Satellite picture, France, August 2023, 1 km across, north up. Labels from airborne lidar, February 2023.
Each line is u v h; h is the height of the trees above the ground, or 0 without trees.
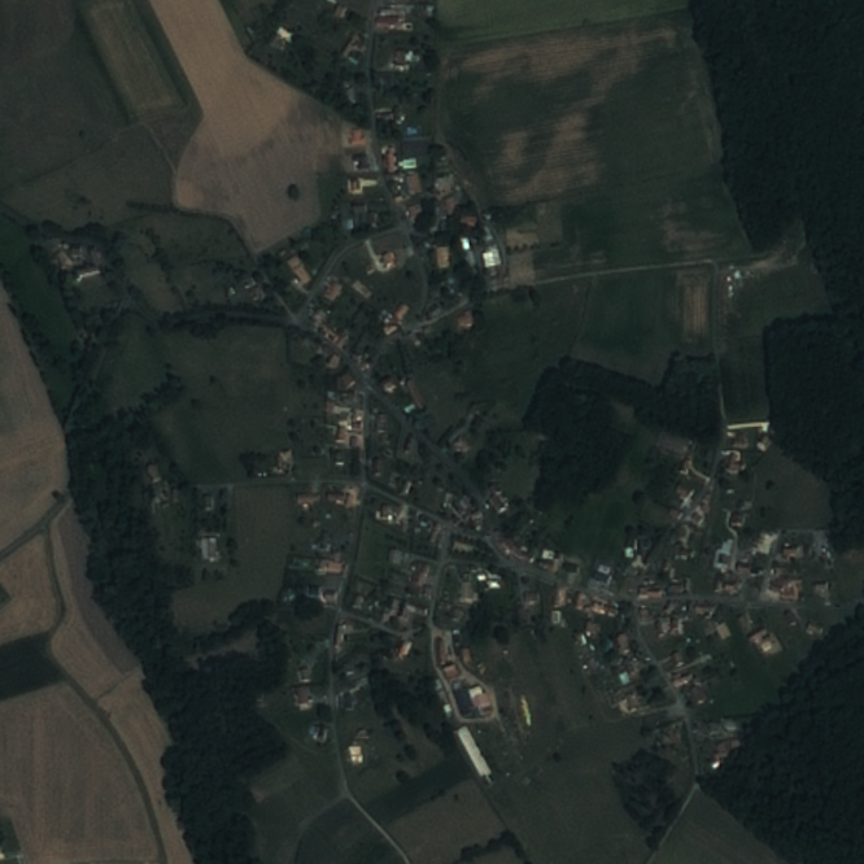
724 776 8
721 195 0
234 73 0
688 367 19
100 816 0
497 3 0
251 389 0
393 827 0
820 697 23
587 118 0
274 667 15
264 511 0
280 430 0
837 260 24
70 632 0
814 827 11
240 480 0
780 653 0
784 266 0
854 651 24
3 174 0
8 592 0
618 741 0
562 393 22
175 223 0
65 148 0
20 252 0
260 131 0
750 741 8
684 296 0
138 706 0
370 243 0
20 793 0
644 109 0
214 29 0
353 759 0
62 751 0
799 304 0
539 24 0
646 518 0
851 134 24
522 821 0
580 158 0
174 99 0
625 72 0
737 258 0
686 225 0
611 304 0
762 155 27
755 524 0
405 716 12
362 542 0
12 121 0
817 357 24
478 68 0
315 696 0
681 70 0
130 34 0
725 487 12
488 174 0
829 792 28
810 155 26
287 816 0
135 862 0
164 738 0
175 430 0
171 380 11
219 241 0
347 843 0
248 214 0
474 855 11
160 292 0
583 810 0
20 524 0
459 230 8
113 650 0
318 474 0
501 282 0
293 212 0
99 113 0
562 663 0
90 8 0
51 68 0
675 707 0
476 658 0
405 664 0
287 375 0
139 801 0
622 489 0
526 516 8
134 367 0
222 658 0
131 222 0
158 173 0
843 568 0
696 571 0
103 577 23
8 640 0
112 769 0
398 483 8
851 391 26
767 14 23
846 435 27
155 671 13
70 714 0
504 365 0
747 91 24
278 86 0
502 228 0
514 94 0
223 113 0
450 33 0
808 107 25
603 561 0
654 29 0
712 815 0
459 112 0
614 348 0
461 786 0
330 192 0
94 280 0
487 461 7
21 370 0
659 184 0
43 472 0
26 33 0
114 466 8
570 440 26
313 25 0
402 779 13
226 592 0
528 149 0
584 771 0
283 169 0
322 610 14
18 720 0
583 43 0
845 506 24
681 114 0
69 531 0
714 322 0
